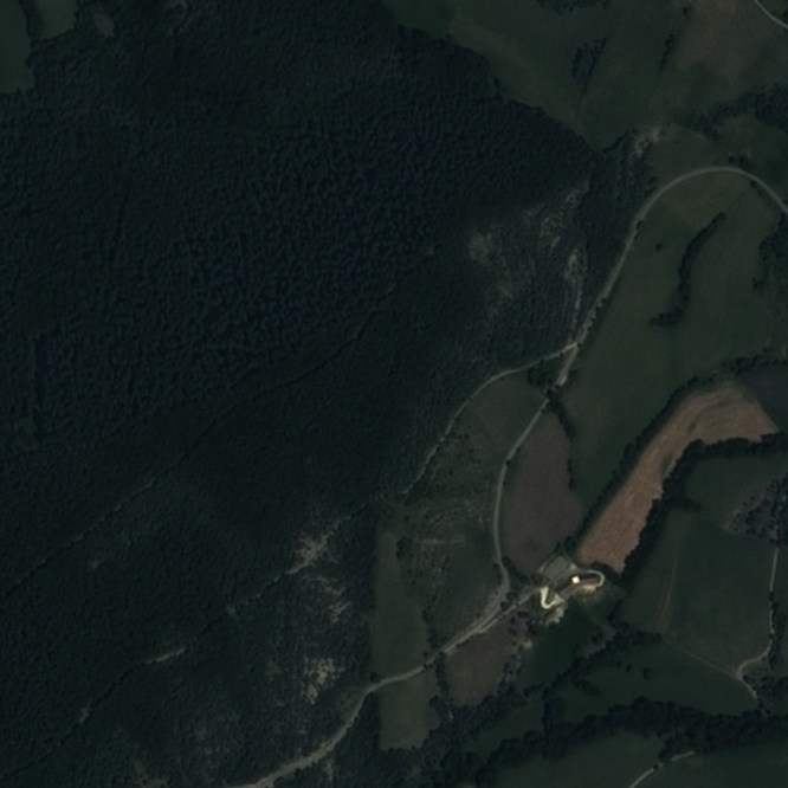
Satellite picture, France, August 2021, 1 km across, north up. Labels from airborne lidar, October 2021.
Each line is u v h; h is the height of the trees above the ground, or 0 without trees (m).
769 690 12
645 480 0
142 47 20
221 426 23
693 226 0
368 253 27
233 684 11
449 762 13
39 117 17
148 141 29
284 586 11
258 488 21
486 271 12
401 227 23
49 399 29
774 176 0
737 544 0
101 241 16
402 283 19
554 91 0
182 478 17
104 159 21
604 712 0
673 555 0
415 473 11
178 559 27
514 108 18
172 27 15
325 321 18
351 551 11
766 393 0
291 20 21
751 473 0
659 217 0
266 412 23
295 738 9
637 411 0
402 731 0
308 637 7
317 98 14
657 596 0
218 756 8
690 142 0
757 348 0
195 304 32
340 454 22
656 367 0
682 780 0
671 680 0
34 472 22
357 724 9
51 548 16
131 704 12
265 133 15
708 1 0
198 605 24
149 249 34
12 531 13
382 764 13
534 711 0
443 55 23
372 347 23
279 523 15
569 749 23
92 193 20
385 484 12
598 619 0
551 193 9
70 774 12
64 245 28
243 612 12
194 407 19
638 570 18
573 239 8
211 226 27
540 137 18
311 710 6
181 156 25
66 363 26
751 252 0
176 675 10
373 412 19
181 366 33
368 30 21
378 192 28
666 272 0
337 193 23
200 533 23
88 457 18
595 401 0
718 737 26
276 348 21
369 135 26
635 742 0
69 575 18
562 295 6
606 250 14
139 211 28
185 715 6
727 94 0
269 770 8
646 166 13
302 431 22
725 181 0
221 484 23
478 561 0
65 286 28
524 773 0
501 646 0
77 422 30
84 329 28
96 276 27
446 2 0
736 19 0
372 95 23
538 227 7
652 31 0
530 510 0
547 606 0
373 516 15
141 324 32
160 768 9
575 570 0
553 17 0
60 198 26
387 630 0
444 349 13
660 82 0
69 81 16
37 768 22
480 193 24
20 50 0
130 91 19
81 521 18
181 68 17
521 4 0
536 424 0
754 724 24
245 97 21
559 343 6
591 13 0
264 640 10
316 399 23
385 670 0
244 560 16
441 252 15
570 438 11
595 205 17
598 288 8
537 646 0
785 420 0
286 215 28
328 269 28
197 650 10
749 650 0
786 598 0
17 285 29
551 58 0
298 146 22
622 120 0
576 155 14
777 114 18
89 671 12
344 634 8
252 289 30
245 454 22
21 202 25
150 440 17
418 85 20
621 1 0
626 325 0
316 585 6
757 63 0
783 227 13
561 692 17
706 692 0
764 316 0
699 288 0
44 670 23
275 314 20
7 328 29
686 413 0
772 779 0
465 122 31
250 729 8
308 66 16
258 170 21
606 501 15
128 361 29
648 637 13
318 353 18
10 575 21
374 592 10
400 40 13
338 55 18
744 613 0
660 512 19
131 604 23
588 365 0
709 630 0
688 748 20
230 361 31
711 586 0
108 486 17
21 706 19
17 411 28
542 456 0
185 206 29
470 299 13
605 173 13
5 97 12
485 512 0
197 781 7
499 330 10
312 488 12
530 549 0
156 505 18
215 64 20
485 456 0
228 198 24
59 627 22
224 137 17
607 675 0
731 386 0
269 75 19
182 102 12
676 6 0
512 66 0
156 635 15
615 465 0
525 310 10
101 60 16
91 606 21
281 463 23
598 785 0
